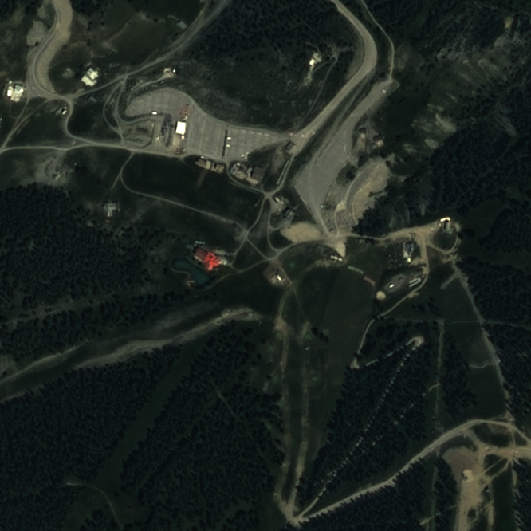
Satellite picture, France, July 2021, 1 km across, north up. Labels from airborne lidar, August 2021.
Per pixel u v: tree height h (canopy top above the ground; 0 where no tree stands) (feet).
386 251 0
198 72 0
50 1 0
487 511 0
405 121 0
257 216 0
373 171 0
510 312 37
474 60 0
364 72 0
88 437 61
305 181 0
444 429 0
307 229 0
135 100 0
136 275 47
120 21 0
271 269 0
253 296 0
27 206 56
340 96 0
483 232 0
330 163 0
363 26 0
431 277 0
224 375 61
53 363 0
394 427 81
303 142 0
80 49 0
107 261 50
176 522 51
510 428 0
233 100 0
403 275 0
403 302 0
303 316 0
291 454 0
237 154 0
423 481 86
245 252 0
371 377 82
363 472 67
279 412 28
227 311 0
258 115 0
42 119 0
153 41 0
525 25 27
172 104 0
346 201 0
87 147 0
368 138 0
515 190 0
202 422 60
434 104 0
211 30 0
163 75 0
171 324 0
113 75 0
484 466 0
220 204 0
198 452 67
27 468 75
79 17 0
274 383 0
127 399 40
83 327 46
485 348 0
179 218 0
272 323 0
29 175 0
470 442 0
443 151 50
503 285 49
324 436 0
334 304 0
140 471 92
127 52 0
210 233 0
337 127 0
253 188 0
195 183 0
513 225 83
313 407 0
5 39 0
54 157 0
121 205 0
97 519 79
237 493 84
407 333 43
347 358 0
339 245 0
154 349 0
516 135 0
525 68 25
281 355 0
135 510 0
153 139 0
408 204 39
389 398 38
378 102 0
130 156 0
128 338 0
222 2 0
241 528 85
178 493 79
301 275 0
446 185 22
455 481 92
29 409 50
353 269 0
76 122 0
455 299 0
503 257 0
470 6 25
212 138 0
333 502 0
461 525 0
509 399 0
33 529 74
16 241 41
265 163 0
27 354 58
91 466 83
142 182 0
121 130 0
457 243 0
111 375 41
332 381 0
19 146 0
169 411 73
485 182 54
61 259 52
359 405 81
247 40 72
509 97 29
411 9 45
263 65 0
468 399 78
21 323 43
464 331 0
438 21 55
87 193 0
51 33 0
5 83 0
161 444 77
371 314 0
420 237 0
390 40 0
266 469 74
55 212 32
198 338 0
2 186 0
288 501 0
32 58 0
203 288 22
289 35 33
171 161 0
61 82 0
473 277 66
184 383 58
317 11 38
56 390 85
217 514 91
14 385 0
